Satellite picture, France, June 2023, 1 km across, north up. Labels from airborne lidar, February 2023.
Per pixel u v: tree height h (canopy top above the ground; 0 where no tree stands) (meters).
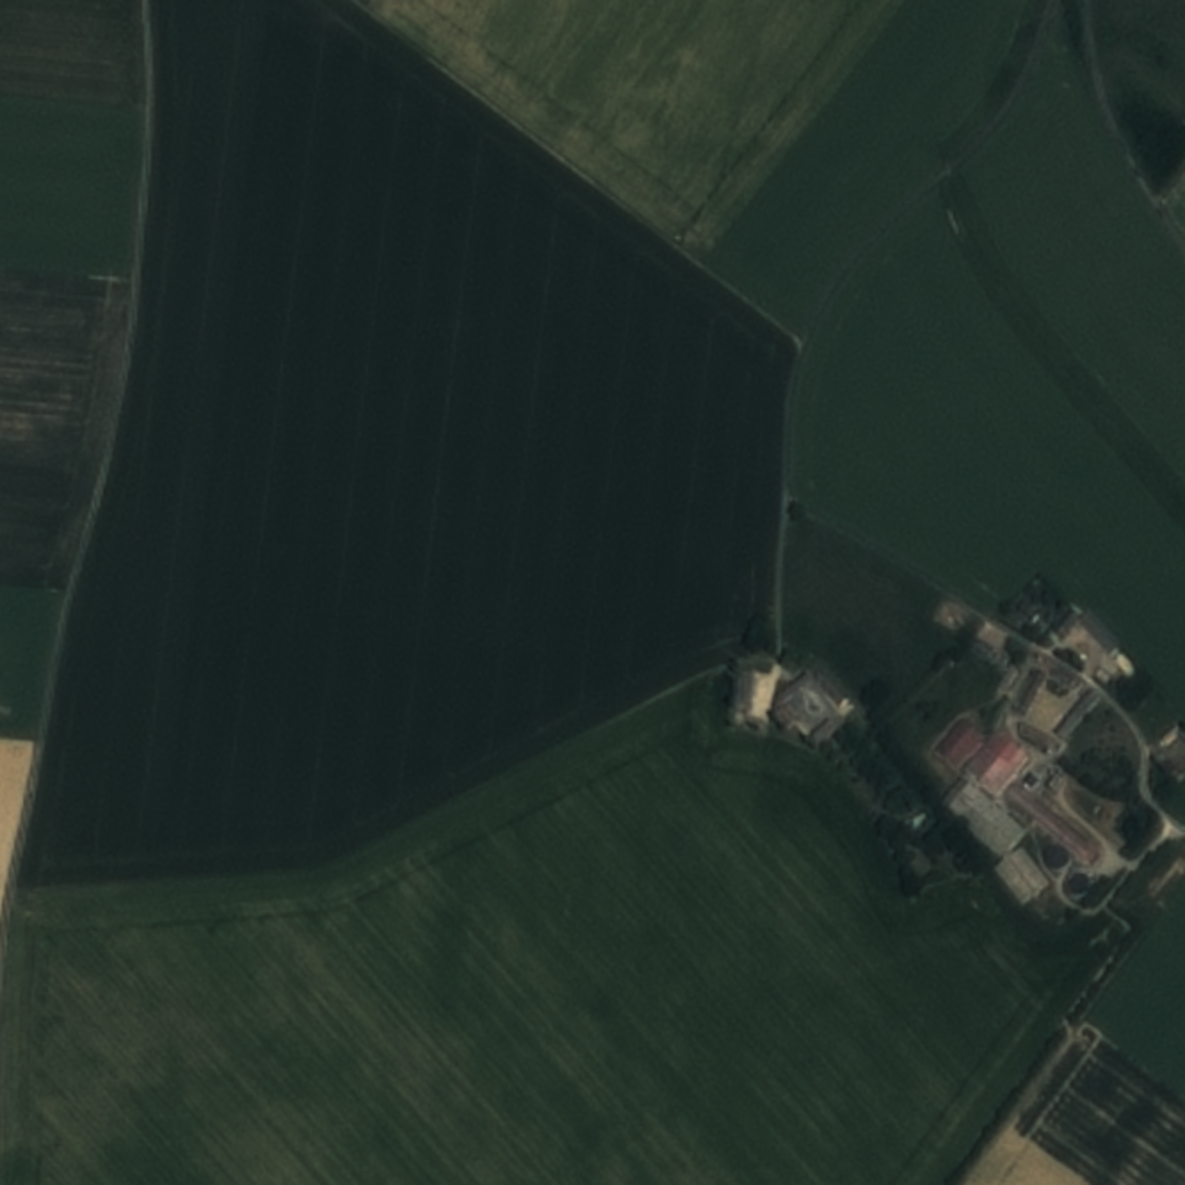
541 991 0
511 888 0
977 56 0
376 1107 0
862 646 0
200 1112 0
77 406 0
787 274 0
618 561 0
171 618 0
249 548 0
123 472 0
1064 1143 0
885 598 0
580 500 0
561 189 0
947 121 0
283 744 0
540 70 0
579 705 0
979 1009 0
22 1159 0
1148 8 0
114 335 0
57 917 0
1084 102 0
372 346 0
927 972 0
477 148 0
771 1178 0
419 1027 0
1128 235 0
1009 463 0
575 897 0
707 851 0
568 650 0
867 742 9
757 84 0
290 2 0
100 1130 0
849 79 0
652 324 0
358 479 0
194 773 0
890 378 0
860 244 0
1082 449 0
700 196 0
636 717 0
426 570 0
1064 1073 0
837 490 0
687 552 0
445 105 0
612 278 0
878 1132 0
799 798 0
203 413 0
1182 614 0
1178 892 0
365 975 0
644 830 0
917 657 0
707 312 0
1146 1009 0
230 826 0
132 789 0
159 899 0
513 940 0
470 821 0
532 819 0
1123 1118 0
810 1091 0
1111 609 0
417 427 0
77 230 0
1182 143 7
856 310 0
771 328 0
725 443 0
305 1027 0
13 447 0
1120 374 0
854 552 0
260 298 0
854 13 0
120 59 0
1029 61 0
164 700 0
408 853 0
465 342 0
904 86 0
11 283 0
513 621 0
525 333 0
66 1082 0
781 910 0
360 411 0
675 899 0
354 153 0
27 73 0
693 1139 0
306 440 0
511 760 0
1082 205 0
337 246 0
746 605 0
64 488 0
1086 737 0
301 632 0
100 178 0
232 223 0
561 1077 0
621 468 0
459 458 0
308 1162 0
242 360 0
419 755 0
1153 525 0
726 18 0
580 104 0
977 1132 0
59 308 0
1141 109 6
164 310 0
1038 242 0
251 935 0
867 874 0
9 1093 0
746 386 0
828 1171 0
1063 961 0
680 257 0
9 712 0
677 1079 0
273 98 0
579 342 0
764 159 0
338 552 0
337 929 0
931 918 0
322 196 0
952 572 0
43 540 0
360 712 0
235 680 0
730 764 0
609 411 0
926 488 0
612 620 0
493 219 0
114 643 0
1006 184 0
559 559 0
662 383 0
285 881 0
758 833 0
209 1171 0
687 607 0
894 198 0
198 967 0
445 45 0
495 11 0
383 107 0
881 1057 0
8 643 0
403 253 0
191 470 0
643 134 0
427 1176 0
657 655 0
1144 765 0
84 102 0
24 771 0
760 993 0
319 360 0
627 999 0
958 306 0
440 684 0
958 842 17
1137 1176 0
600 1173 0
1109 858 0
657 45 0
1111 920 0
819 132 0
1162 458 0
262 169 0
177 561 0
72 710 0
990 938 0
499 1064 0
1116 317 0
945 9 0
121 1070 0
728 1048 0
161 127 0
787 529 0
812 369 0
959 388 0
